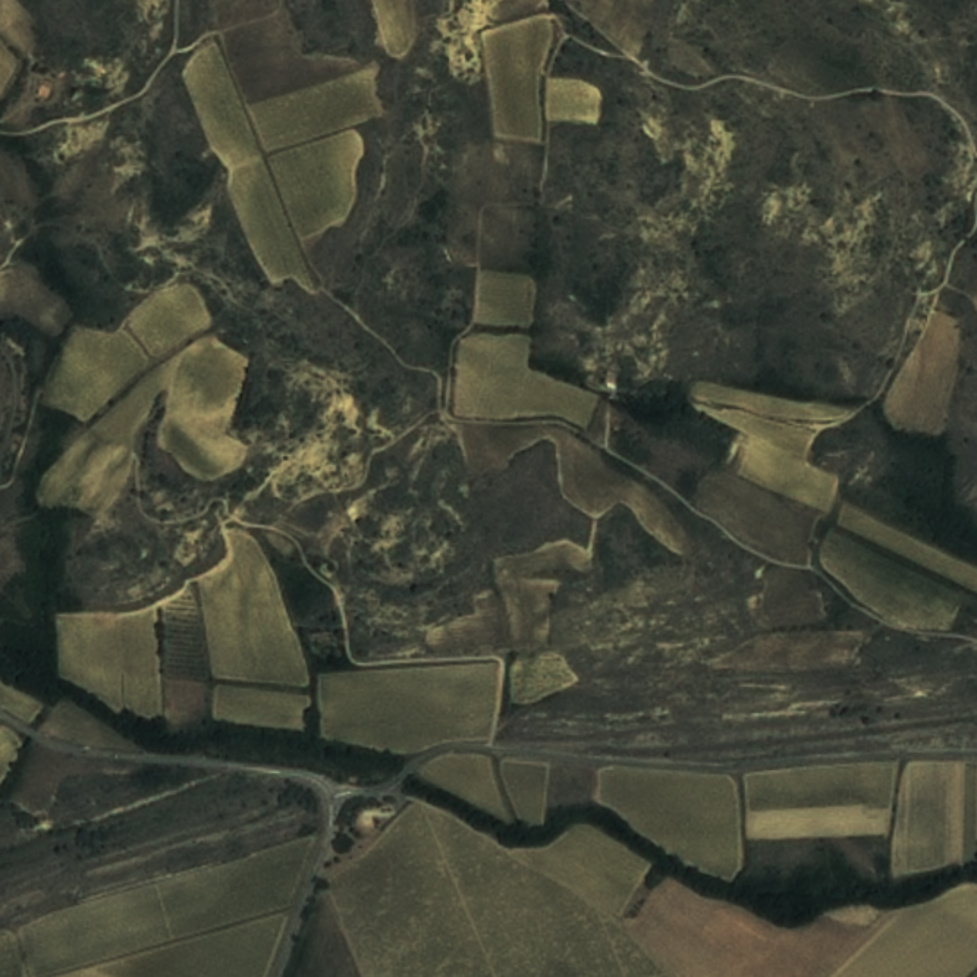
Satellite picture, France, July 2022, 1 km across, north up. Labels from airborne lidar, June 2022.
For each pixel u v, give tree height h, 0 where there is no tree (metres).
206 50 0
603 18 0
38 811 0
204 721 8
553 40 0
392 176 0
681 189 0
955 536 12
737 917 0
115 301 0
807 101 0
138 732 10
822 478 0
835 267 0
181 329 0
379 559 0
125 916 0
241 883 0
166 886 0
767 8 0
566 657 0
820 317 7
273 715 0
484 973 0
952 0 0
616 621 0
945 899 0
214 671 0
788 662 0
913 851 0
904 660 0
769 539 0
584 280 0
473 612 0
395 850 0
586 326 0
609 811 6
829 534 0
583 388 8
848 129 0
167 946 0
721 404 0
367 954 0
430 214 8
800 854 0
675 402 13
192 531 0
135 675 0
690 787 0
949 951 0
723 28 0
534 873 0
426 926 0
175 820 0
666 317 0
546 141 0
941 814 0
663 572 0
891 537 0
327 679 0
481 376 0
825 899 11
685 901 0
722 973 0
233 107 0
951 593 0
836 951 0
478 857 0
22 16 0
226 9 0
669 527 0
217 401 0
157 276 0
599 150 0
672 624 0
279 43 0
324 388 0
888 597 0
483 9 0
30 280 0
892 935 0
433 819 0
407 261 0
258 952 0
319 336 0
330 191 0
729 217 0
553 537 0
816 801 0
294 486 0
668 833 0
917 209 0
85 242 0
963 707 0
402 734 0
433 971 0
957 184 0
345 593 0
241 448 0
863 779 0
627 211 0
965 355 0
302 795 5
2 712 0
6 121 0
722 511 0
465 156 0
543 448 0
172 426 0
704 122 0
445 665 0
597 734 0
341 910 0
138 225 0
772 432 0
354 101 0
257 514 0
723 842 0
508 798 0
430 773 0
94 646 0
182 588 0
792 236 0
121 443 0
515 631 0
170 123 0
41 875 0
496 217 0
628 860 0
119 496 0
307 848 0
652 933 0
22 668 13
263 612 0
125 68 0
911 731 0
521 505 0
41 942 0
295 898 0
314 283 0
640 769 0
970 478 0
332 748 15
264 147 0
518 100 0
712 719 0
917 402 0
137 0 0
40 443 6
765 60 0
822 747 0
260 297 0
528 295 0
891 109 0
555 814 8
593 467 0
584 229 0
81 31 0
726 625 0
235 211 0
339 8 0
